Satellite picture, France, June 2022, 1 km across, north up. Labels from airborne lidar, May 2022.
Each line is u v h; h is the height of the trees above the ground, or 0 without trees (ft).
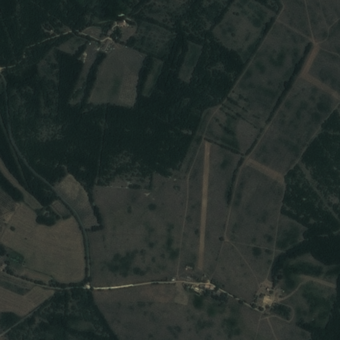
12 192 35
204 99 26
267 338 0
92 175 20
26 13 21
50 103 24
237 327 0
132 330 0
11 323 24
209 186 0
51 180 29
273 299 0
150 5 23
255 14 0
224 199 0
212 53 21
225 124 0
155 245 0
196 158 0
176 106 21
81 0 32
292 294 0
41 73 0
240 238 0
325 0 0
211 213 0
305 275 0
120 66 0
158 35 0
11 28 28
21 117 24
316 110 0
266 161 0
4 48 24
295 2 0
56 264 0
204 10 27
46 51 34
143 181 30
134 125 22
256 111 0
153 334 0
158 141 29
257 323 0
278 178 0
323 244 48
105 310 0
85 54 0
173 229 0
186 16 29
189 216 0
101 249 0
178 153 23
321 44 0
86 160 33
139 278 0
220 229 0
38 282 29
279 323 0
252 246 0
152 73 0
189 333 0
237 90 0
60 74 29
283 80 0
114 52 0
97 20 0
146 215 0
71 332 21
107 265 0
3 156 36
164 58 28
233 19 0
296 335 0
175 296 0
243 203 0
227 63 37
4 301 0
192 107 42
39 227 0
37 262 0
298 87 0
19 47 26
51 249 0
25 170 32
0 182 26
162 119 18
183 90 40
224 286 37
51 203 31
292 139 0
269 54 0
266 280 0
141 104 32
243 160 25
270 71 0
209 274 0
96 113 31
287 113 0
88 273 24
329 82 0
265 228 0
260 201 0
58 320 34
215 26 24
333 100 0
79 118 31
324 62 0
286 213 24
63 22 27
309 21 0
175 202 0
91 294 20
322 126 22
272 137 0
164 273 0
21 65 26
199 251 0
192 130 32
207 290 23
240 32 0
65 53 31
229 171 0
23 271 0
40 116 35
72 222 0
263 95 0
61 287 29
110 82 0
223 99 29
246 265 0
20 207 0
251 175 0
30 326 21
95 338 24
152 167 21
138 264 0
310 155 20
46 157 32
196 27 31
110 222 0
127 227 0
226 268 0
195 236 0
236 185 0
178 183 0
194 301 0
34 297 0
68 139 25
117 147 25
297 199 24
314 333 24
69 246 0
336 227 23
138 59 0
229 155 0
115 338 29
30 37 25
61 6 30
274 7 23
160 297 0
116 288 0
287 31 0
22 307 0
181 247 0
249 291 0
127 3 31
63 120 20
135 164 24
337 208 17
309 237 31
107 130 31
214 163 0
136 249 0
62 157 29
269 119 20
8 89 34
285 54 0
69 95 35
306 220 20
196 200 0
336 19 0
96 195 0
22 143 23
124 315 0
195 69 35
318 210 21
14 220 0
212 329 0
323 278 0
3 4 35
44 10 27
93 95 0
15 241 0
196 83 20
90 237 0
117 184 0
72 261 0
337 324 32
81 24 33
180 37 37
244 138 0
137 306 0
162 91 28
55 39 21
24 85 33
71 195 0
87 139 24
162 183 0
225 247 0
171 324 0
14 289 0
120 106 27
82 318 23
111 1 27
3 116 33
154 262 0
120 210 0
